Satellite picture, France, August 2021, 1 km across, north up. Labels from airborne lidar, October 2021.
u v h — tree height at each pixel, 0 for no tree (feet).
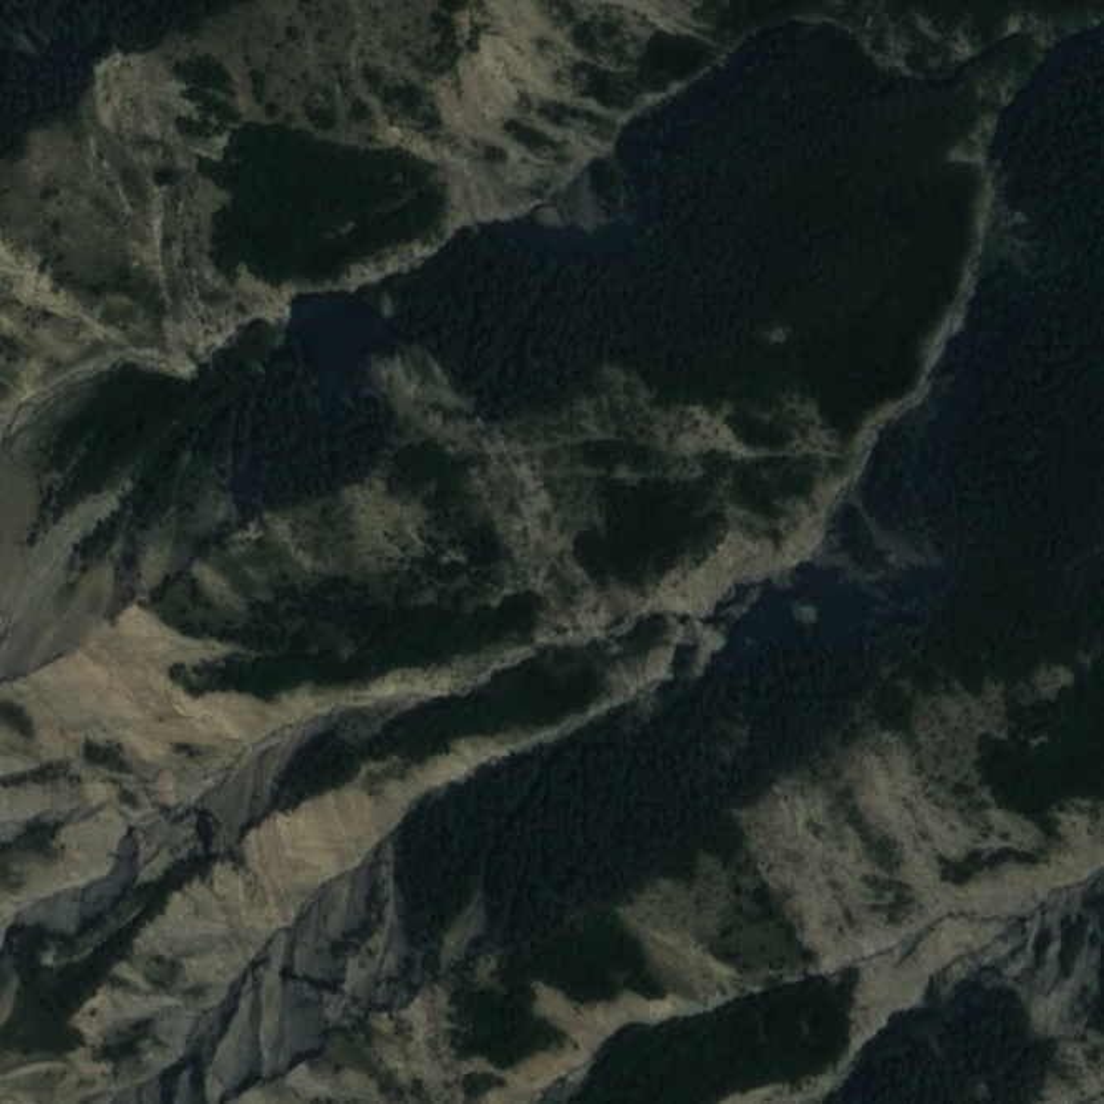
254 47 0
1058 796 38
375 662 23
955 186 57
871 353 91
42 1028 0
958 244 65
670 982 0
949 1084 60
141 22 52
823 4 28
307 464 49
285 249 45
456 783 0
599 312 71
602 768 79
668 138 42
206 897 0
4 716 0
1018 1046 37
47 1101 0
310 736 0
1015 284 22
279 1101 0
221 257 29
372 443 29
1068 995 0
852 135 47
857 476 0
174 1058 0
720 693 36
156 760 0
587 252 0
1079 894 0
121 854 0
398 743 22
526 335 44
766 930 0
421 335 37
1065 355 73
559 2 20
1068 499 48
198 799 0
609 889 40
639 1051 28
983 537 36
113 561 23
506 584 0
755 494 36
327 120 22
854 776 0
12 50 30
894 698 33
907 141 51
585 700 31
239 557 0
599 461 36
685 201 51
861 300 34
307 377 29
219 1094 0
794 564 0
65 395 0
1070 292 48
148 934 0
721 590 0
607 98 35
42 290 0
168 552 0
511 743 0
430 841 26
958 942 0
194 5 55
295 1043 0
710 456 22
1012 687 28
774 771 30
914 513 25
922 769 26
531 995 41
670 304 56
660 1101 49
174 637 0
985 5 42
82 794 0
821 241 84
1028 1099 19
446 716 62
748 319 73
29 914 0
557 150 21
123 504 17
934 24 28
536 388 75
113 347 0
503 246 178
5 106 72
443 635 33
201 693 18
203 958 0
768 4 53
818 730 25
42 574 0
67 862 0
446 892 43
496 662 0
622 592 0
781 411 20
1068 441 53
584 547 45
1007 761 42
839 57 84
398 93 27
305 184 50
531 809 68
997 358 49
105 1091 0
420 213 39
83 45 47
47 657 0
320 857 0
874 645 52
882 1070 21
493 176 0
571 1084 0
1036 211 25
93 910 0
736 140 68
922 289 53
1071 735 52
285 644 37
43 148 0
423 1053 0
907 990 0
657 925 0
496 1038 38
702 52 39
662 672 0
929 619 30
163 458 28
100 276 0
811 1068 20
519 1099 0
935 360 0
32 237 0
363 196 43
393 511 0
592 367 21
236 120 33
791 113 45
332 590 27
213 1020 0
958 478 41
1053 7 32
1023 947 0
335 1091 0
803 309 41
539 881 59
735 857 28
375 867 0
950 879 18
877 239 58
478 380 64
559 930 19
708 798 33
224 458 22
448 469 30
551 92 0
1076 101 84
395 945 0
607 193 24
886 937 0
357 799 0
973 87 24
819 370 54
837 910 0
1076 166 70
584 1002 37
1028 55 28
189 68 20
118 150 0
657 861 27
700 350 68
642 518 36
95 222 0
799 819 0
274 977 0
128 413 26
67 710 0
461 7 34
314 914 0
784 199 53
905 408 0
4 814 0
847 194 45
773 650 28
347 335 26
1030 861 19
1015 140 44
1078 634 42
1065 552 47
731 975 0
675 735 27
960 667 29
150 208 0
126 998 0
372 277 0
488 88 0
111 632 0
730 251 72
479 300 60
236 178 40
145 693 0
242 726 0
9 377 0
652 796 62
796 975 0
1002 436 44
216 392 23
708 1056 37
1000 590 45
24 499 0
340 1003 0
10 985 0
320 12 29
